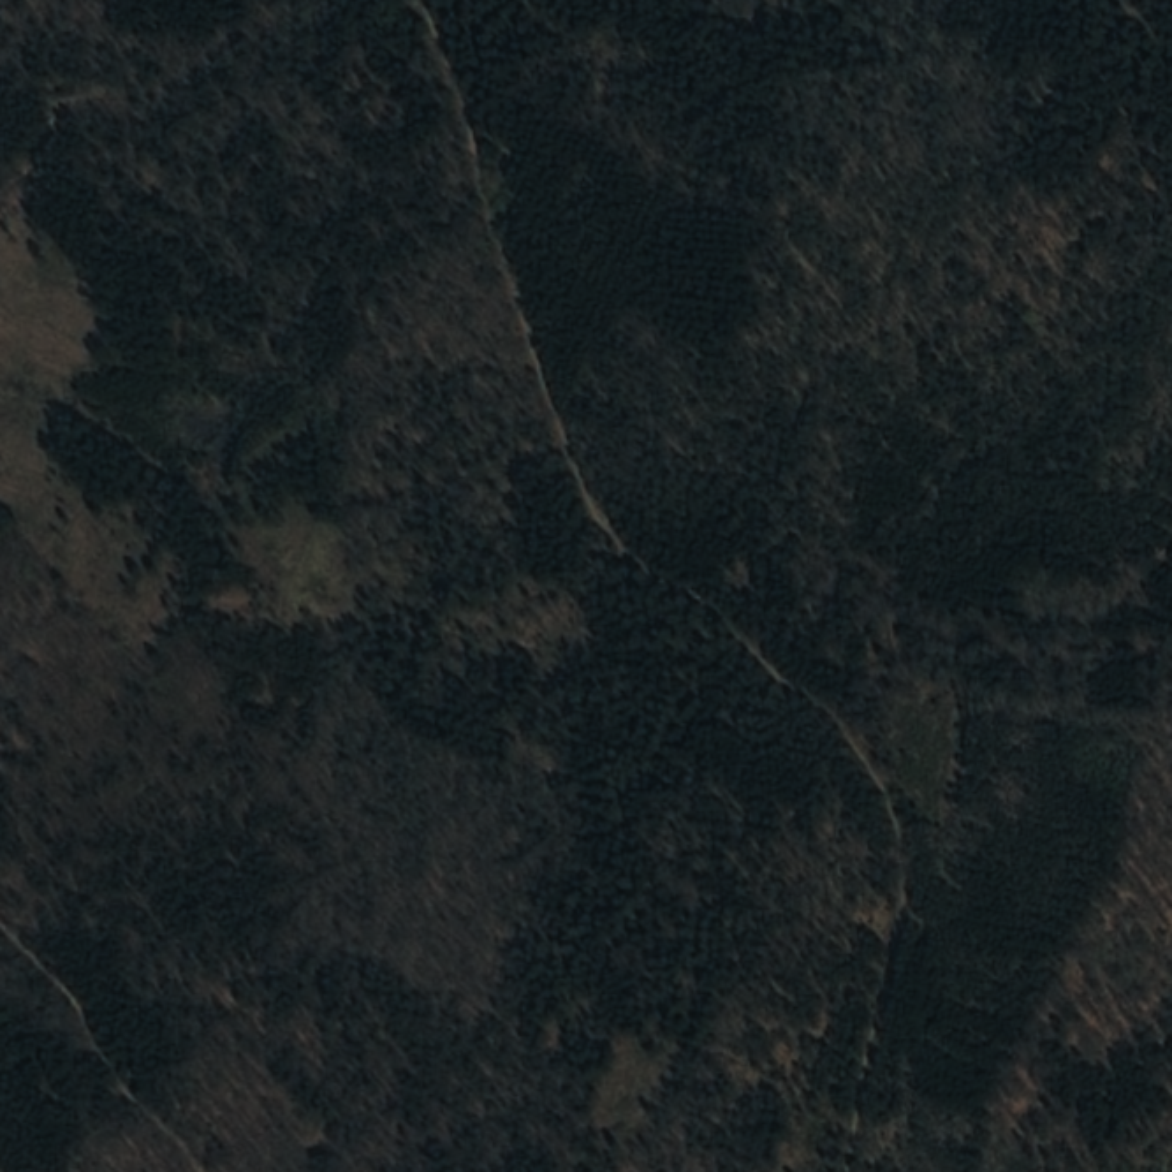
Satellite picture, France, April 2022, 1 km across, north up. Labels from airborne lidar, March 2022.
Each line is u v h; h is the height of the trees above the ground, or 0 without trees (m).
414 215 20
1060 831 24
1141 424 19
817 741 25
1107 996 37
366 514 27
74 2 21
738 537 18
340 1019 30
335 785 22
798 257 22
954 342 30
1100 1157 32
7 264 0
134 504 26
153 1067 29
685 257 33
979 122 25
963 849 21
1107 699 20
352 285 19
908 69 22
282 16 18
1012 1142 20
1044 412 22
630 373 19
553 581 28
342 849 19
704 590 20
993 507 22
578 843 20
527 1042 20
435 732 23
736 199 23
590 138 19
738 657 15
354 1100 22
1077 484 21
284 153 22
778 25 32
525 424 20
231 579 30
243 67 23
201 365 7
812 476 20
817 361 31
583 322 18
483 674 21
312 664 14
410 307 19
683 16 13
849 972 26
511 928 20
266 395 23
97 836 16
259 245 18
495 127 31
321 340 24
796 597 22
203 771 15
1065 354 22
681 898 16
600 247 22
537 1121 21
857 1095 11
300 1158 28
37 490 0
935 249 19
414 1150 25
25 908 25
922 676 29
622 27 27
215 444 12
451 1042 19
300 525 0
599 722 18
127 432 8
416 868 24
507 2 26
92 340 0
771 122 28
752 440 22
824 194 20
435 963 23
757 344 22
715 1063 14
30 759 16
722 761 18
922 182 18
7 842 24
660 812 15
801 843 19
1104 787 28
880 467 20
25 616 23
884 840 24
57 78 20
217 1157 27
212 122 21
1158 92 16
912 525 21
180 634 21
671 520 23
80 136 22
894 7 20
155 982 25
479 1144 24
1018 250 23
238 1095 23
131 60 21
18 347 0
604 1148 19
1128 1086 29
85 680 18
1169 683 13
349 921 26
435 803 20
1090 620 25
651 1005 19
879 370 17
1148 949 31
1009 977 25
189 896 14
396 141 28
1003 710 24
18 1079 27
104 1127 29
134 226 25
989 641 13
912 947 29
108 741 13
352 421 22
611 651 20
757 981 19
